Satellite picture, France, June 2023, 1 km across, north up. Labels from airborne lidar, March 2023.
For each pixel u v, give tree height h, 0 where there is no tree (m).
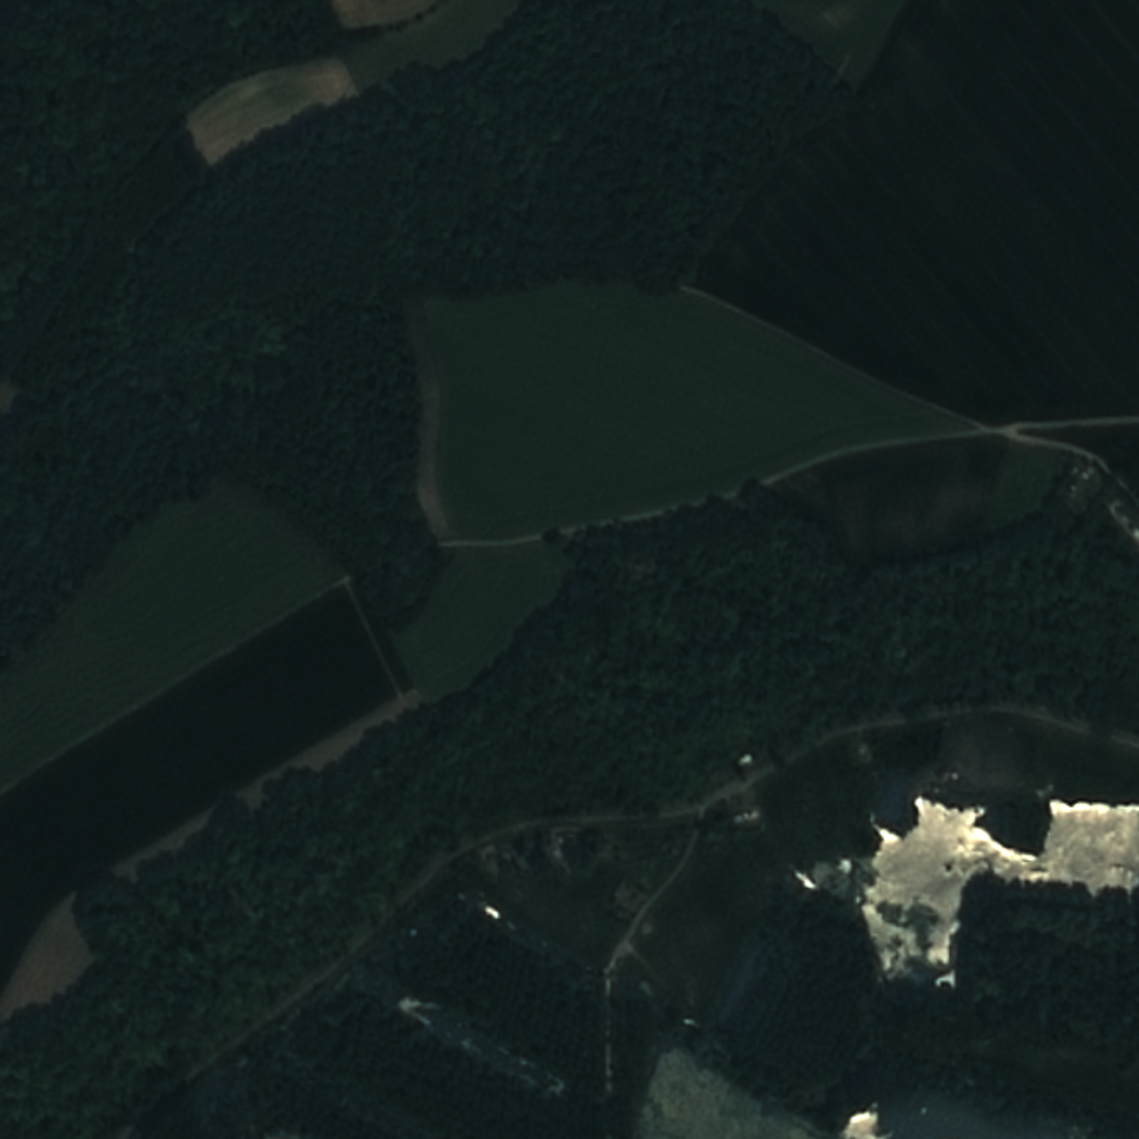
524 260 19
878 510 0
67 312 24
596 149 21
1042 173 0
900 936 0
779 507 15
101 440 22
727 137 32
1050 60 0
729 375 0
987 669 26
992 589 22
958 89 0
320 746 0
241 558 0
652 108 24
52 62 30
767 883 0
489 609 0
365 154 21
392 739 13
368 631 0
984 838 0
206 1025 26
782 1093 13
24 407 23
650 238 25
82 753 0
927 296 0
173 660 0
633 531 16
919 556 9
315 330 12
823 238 0
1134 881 0
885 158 0
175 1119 22
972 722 0
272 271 16
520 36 10
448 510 0
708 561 26
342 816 17
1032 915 21
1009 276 0
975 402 0
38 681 0
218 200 20
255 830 19
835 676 21
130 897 24
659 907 0
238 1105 31
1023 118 0
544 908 0
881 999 12
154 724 0
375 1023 17
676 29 24
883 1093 17
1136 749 0
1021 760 0
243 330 22
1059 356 0
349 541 17
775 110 28
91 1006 18
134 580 0
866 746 0
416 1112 7
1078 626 22
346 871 22
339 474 19
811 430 0
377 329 13
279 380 12
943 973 0
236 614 0
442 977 15
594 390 0
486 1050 0
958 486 0
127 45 30
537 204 18
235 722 0
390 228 18
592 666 14
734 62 25
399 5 0
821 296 0
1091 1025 6
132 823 0
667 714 20
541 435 0
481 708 17
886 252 0
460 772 16
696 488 0
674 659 20
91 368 16
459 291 16
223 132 0
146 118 31
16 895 0
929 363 0
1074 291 0
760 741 9
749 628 23
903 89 0
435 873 0
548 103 15
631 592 22
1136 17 0
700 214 24
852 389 0
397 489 24
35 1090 16
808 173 0
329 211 20
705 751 10
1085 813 0
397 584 23
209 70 18
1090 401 0
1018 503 0
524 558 0
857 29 0
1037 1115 15
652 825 0
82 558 14
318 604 0
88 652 0
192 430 21
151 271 19
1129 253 0
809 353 0
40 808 0
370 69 0
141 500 18
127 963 21
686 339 0
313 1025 17
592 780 14
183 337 10
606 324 0
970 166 0
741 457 0
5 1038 19
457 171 18
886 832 0
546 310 0
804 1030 24
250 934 18
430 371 0
